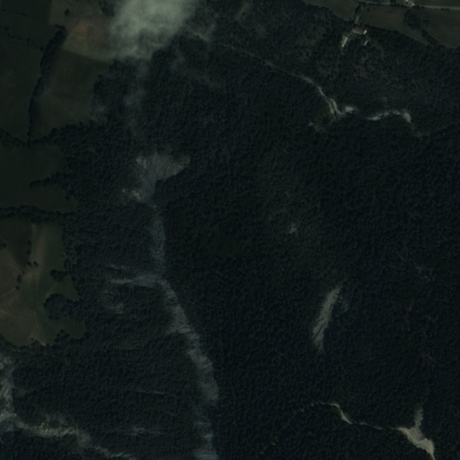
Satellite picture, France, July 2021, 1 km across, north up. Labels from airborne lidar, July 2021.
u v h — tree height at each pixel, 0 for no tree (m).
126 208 11
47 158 0
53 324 0
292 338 41
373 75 11
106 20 0
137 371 16
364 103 8
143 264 11
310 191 22
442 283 23
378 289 19
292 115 19
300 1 14
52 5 0
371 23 0
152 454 12
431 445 0
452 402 28
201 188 18
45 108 0
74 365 12
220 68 17
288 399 34
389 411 32
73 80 0
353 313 14
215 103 21
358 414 18
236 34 9
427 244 21
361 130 21
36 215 18
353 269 29
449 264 25
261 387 30
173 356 11
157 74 17
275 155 14
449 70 16
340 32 9
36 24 0
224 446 18
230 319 16
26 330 0
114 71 22
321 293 11
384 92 8
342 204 24
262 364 28
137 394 16
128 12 14
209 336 11
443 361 31
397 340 28
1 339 13
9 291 0
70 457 12
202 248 20
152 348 8
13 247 0
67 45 0
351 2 0
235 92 16
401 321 29
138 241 12
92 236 16
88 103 0
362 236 25
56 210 0
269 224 13
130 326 6
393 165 8
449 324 29
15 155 0
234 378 25
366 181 15
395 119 10
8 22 0
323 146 21
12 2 0
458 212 30
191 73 18
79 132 17
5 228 0
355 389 28
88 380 16
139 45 17
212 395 0
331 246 23
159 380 11
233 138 12
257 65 16
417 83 8
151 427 10
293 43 6
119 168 16
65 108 0
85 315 16
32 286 0
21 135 0
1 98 0
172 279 9
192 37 6
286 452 25
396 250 22
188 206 22
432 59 18
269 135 17
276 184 14
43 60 13
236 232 31
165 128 13
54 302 16
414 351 25
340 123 8
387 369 30
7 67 0
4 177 0
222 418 16
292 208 13
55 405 14
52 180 12
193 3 13
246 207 12
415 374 30
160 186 12
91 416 17
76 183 15
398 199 28
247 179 20
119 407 18
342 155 21
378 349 24
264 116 7
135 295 9
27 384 14
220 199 21
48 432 0
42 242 0
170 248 10
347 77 13
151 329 10
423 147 11
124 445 11
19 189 0
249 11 8
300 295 22
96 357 19
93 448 8
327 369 14
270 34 6
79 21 0
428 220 32
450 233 25
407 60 11
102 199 12
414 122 12
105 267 9
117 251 14
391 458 10
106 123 29
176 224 17
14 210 15
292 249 12
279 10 10
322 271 13
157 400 18
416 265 25
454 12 0
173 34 18
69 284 0
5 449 15
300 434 12
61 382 13
